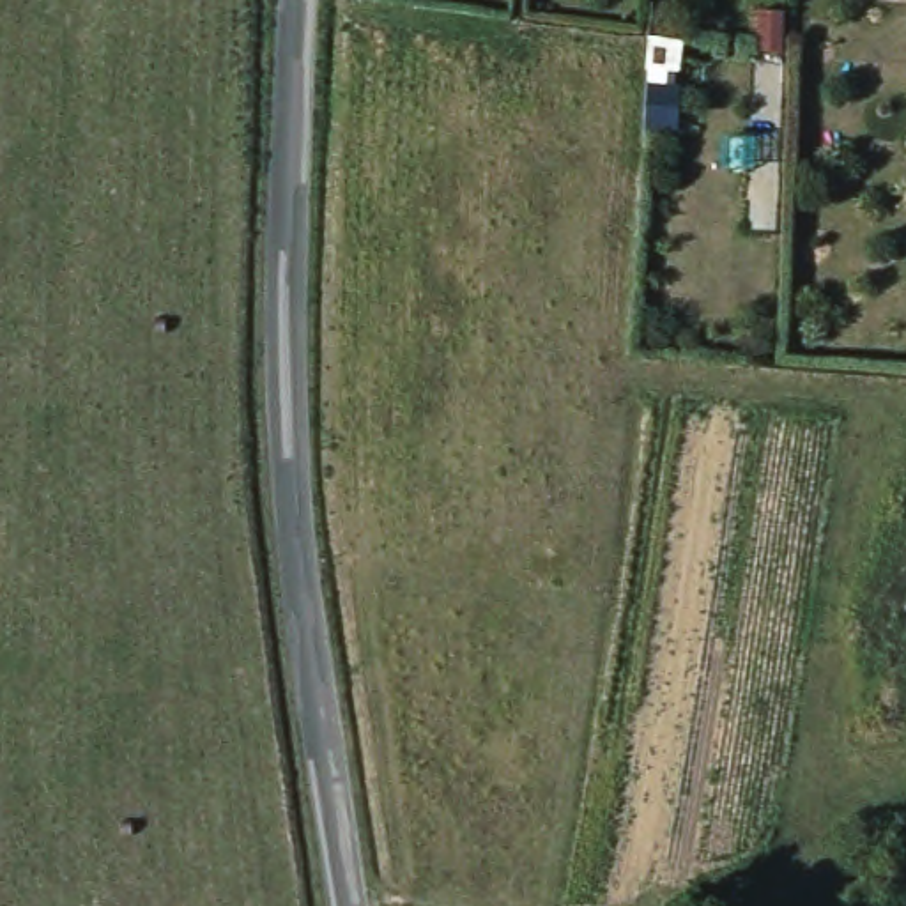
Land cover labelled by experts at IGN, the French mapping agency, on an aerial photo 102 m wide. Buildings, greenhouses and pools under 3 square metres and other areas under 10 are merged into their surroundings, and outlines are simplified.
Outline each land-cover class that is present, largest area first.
<instances>
[{"label":"herbaceous vegetation","instance_id":"1","mask_svg":"<svg viewBox=\"0 0 906 906\"><path fill-rule=\"evenodd\" d=\"M319 4H336L322 262V464L333 471L326 478L329 541L336 559L343 637L354 676V711L361 729L368 807L379 849V874L365 881L372 895H407V906H616L609 892L598 902H573L563 892H556V864L573 793L591 796L595 772H612L616 761H633V726L605 722V704L616 669L644 481V464H633L637 418L648 414L658 393L669 400L697 396V403L708 414L715 407H729L740 414V428L747 435H768V428L775 425L810 428L818 446L814 478H803L807 453L793 449L789 467L793 488L810 506L796 563L800 595L793 602V637L786 644L757 637L747 669L750 701L743 708L740 736L754 740V764L740 768L743 818L733 828L736 846L729 853H718L711 864L715 871L694 878L665 906H871L842 902L846 871L832 864L828 828L842 814L860 818L864 807L906 800V694H895L892 683L860 676V623L856 605L846 602V587L867 545V534L878 524L902 517L906 503V379L864 372L764 368L747 361H726V354L701 347L690 354L637 350L633 326L637 308L644 304V180L651 152L644 99L655 85L644 74L648 35L641 28L609 21H573L534 11L513 18L485 7L435 0H319ZM680 7L701 32L754 39V60L743 67H722V81H729L740 92H757L764 103L750 117L733 113L726 106L711 110L708 124L683 110L676 127L669 131V138L676 142V184L683 188L680 209L669 219V234H694L690 244L665 258L680 273V280L669 283V297L694 301L704 322H722L736 308L764 297L775 280V258L754 241L736 237V219H750L757 230L775 227L779 180L818 149L828 152L846 134H867L878 149L888 152L881 173L888 188L899 195L895 212L864 209L860 198L835 202L821 209V216L810 209H793L789 283L810 290L821 276L839 280L846 287V297L856 304V322L835 336L839 347L906 350V287L899 283L895 269L874 265L867 258V241L874 234H888L892 251L906 258V0H874V7L860 21H842L832 28L807 25L810 0H680ZM825 64L846 74L853 103H821ZM892 888L906 899V818L902 832L895 835V849L888 853Z\"/></svg>","mask_w":906,"mask_h":906},{"label":"agricultural land","instance_id":"2","mask_svg":"<svg viewBox=\"0 0 906 906\"><path fill-rule=\"evenodd\" d=\"M251 25L248 0H0V906H304L269 683L241 449V265L248 209L244 156ZM740 414L729 407H715L708 414L697 403V396L669 400L658 393L648 414L637 418L633 464H644V481L616 669L605 704V722L633 726V761H616L612 772H595L591 796L573 793L556 864V892H563L573 902H598L609 892L616 906H665L694 878L715 871L711 864L718 853H729L736 846L733 828L743 818L740 768L754 764V740L740 736L743 708L750 701L747 669L757 637L786 644L793 637V602L800 595L796 563L810 506L793 488L789 467L793 449L807 453L803 478H814L818 446L810 428L775 425L768 428V435H747L740 428Z\"/></svg>","mask_w":906,"mask_h":906},{"label":"brushwood","instance_id":"3","mask_svg":"<svg viewBox=\"0 0 906 906\"><path fill-rule=\"evenodd\" d=\"M251 25L244 156L248 209L241 265V449L269 683L304 906H326L308 779L294 750V718L273 591L258 449V219L262 180L269 170L276 0H248ZM485 7L513 18L534 11L573 21H609L641 28L648 35H669L683 42L680 71L669 81L655 85L644 99L651 152L644 180V304L637 308L633 326L637 350L690 354L701 347L726 354V361H747L764 368L864 372L906 379V350L839 347L835 336L856 322V304L846 297V287L839 280L821 276L810 290L789 283L793 209H810L821 216V209L835 202L860 198L864 209L895 212L899 195L888 188L881 173L888 152L878 149L867 134H846L828 152L818 149L779 180L775 227L757 230L750 219H736V237L754 241L775 258V280L764 297L736 308L722 322H704L694 301L669 297V283L680 280V273L665 258L690 244L694 234H669V219L680 209L683 188L676 184V142L669 138V131L676 127L683 110L708 124L711 110L726 106L733 113L750 117L764 103L757 92H740L729 81H722V67H743L754 60V39L701 32L680 7V0H435ZM874 7V0H810L807 25L832 28L842 21H860ZM336 4H319L308 262L311 495L322 559V595L336 658L340 708L347 726L350 789L365 881L379 874V849L368 807L361 729L354 711V676L343 637L336 559L329 541L326 478L333 471L322 464V262ZM821 103H853L846 74L825 64ZM867 258L874 265L895 269L899 283L906 287V258L892 251L888 234H874L867 241Z\"/></svg>","mask_w":906,"mask_h":906},{"label":"impervious surface","instance_id":"4","mask_svg":"<svg viewBox=\"0 0 906 906\"><path fill-rule=\"evenodd\" d=\"M319 4V0H276L269 170L262 180L258 219V449L273 591L294 718V750L308 779L326 906H407V895H372L365 881L350 789L347 726L340 708L336 658L322 595V559L311 495L308 262ZM683 42L669 35H648L644 74L655 85L669 81L680 71Z\"/></svg>","mask_w":906,"mask_h":906},{"label":"deciduous trees","instance_id":"5","mask_svg":"<svg viewBox=\"0 0 906 906\"><path fill-rule=\"evenodd\" d=\"M846 602L856 605L860 623V676L892 683L895 694H906V503L902 517L878 524L867 534V545L846 587ZM906 818V800L864 807L860 818L842 814L828 828L832 864L846 871L842 902L871 906H906V899L892 888L888 853L895 849V835L902 832Z\"/></svg>","mask_w":906,"mask_h":906}]
</instances>
